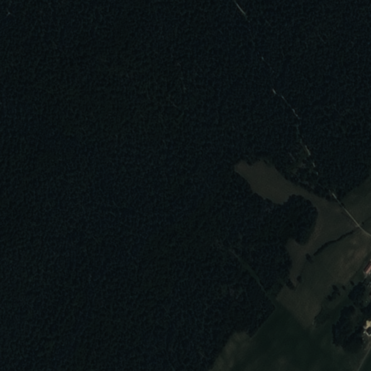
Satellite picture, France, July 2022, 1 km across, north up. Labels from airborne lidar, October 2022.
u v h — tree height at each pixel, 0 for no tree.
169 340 27
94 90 19
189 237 21
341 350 0
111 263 18
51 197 20
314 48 20
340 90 25
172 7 22
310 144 21
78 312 25
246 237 22
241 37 19
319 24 22
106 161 20
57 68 17
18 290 19
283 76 37
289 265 23
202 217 22
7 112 16
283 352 0
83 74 20
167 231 19
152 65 23
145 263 24
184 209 26
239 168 0
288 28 26
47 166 18
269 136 25
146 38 23
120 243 24
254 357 0
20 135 27
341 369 0
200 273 15
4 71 15
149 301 19
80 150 22
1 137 20
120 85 20
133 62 16
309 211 29
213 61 21
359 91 29
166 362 29
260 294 15
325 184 17
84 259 21
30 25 18
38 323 22
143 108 13
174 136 19
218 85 22
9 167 16
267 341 0
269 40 25
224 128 19
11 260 16
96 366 16
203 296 20
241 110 24
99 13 26
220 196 22
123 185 20
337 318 0
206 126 23
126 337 16
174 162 26
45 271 16
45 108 20
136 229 12
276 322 0
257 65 39
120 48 22
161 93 22
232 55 26
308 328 0
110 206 31
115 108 20
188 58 27
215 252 23
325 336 0
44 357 17
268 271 20
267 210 28
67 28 26
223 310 33
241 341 0
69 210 22
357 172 22
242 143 29
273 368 0
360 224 0
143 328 19
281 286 16
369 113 25
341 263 0
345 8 23
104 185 23
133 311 17
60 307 19
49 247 22
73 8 22
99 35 15
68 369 22
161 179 14
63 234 16
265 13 19
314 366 0
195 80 26
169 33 19
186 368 8
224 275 21
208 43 23
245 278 9
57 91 11
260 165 0
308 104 31
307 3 17
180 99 13
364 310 17
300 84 23
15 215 16
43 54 11
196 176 26
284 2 27
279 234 12
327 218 0
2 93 15
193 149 29
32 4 16
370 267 0
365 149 23
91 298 28
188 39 23
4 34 15
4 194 23
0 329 24
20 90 17
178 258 15
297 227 9
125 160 22
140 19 26
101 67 19
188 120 13
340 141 19
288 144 24
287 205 18
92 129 23
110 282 18
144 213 20
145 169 27
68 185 20
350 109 30
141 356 10
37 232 18
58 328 26
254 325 8
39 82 11
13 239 14
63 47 23
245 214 25
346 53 22
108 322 17
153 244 20
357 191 0
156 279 17
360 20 19
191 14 19
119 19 18
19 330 21
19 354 22
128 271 19
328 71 26
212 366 13
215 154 25
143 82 20
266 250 33
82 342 19
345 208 6
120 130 19
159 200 22
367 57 24
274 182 0
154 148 18
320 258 0
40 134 17
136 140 22
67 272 14
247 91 22
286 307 0
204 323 6
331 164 20
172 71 21
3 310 21
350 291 0
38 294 24
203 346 32
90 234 25
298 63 18
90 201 19
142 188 26
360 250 0
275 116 23
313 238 0
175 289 28
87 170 28
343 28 23
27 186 15
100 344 17
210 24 20
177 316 27
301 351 0
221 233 19
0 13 22
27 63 18
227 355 0
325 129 12
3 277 19
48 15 14
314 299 0
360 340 20
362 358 0
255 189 0
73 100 12
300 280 17
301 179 23
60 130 14
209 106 20
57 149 23
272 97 21
